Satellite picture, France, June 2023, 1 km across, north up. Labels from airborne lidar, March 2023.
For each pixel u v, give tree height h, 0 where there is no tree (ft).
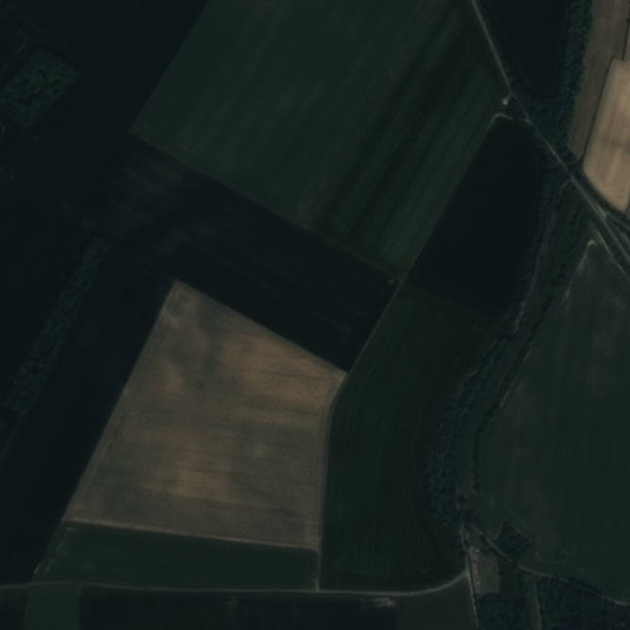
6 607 0
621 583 0
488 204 0
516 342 0
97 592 0
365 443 0
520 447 0
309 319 0
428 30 0
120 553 0
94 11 0
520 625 40
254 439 0
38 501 0
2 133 0
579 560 0
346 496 0
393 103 0
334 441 0
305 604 0
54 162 0
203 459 0
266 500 0
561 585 44
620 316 0
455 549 33
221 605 0
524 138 0
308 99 0
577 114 0
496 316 0
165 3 0
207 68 0
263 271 0
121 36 0
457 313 0
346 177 0
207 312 0
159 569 0
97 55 0
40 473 0
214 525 0
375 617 0
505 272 0
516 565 37
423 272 0
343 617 0
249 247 0
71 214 0
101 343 0
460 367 0
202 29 0
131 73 0
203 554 0
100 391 0
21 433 0
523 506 0
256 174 0
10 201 0
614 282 0
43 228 0
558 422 0
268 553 0
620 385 0
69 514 0
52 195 0
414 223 0
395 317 0
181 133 0
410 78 0
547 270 0
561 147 30
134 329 0
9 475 0
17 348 0
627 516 0
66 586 0
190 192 0
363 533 0
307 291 0
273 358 0
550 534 0
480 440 25
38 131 0
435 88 0
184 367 0
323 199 0
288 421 0
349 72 0
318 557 0
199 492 0
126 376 0
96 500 0
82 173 0
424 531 0
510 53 0
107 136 0
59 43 0
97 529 0
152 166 0
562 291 0
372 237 0
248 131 0
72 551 0
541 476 0
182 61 0
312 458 0
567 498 0
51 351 53
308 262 0
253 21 0
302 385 0
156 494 0
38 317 0
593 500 0
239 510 0
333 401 0
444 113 0
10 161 0
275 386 0
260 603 0
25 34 0
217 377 0
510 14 0
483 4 0
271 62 0
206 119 0
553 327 0
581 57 19
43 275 0
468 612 0
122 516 0
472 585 0
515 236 0
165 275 0
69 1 0
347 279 0
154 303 0
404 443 0
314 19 0
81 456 0
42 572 0
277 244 0
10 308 0
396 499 0
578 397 0
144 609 0
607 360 0
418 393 0
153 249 0
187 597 0
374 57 0
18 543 0
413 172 0
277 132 0
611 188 0
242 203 0
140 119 0
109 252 0
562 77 59
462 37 0
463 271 0
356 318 0
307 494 0
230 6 0
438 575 0
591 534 0
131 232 0
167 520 0
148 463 0
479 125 0
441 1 0
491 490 0
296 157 0
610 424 0
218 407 0
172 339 0
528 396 0
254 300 0
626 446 0
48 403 0
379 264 0
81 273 52
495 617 30
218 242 0
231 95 0
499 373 0
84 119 0
